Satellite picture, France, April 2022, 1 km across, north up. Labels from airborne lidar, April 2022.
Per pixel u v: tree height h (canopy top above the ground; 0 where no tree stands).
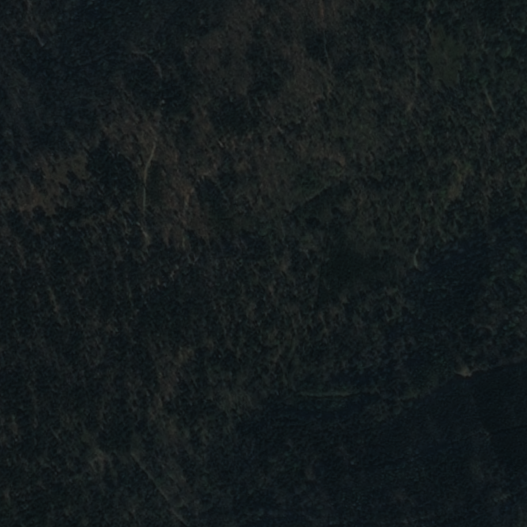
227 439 35
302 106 18
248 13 14
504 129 29
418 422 20
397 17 18
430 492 21
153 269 29
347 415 26
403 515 22
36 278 27
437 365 20
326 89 21
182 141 30
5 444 12
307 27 23
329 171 23
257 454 29
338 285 15
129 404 27
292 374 25
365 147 20
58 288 29
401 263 13
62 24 38
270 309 23
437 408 23
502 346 12
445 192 24
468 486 27
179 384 26
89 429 22
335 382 26
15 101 19
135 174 35
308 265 30
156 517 18
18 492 18
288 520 18
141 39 19
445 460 26
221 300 22
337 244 15
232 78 24
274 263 25
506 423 11
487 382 12
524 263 10
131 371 17
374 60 25
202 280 28
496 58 34
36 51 29
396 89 26
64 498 27
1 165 21
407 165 30
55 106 31
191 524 13
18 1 31
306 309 17
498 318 11
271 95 19
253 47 19
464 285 27
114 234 30
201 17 14
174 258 27
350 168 20
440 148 20
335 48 25
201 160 31
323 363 26
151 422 27
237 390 24
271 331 18
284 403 20
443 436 19
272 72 16
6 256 28
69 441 24
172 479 27
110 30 28
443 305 28
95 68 26
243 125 31
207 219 13
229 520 24
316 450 27
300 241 22
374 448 29
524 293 30
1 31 19
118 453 22
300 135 24
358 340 28
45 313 28
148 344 27
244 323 26
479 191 33
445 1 18
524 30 31
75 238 30
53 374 27
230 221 6
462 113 31
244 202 31
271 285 24
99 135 24
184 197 5
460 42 34
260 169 26
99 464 20
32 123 25
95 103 29
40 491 22
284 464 30
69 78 27
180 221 32
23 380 31
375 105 25
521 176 28
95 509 24
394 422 21
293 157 21
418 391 20
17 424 25
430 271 25
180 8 17
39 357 26
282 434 28
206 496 33
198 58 23
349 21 26
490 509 16
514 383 13
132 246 28
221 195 42
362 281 16
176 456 29
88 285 30
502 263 10
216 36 15
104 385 24
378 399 26
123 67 22
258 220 6
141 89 22
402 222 24
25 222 23
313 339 31
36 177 27
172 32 19
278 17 22
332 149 20
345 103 17
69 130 24
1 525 23
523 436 12
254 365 27
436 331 24
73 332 29
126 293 28
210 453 26
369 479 20
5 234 19
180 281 30
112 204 35
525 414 15
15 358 30
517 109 35
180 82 26
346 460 26
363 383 28
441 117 32
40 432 25
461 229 32
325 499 25
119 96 24
